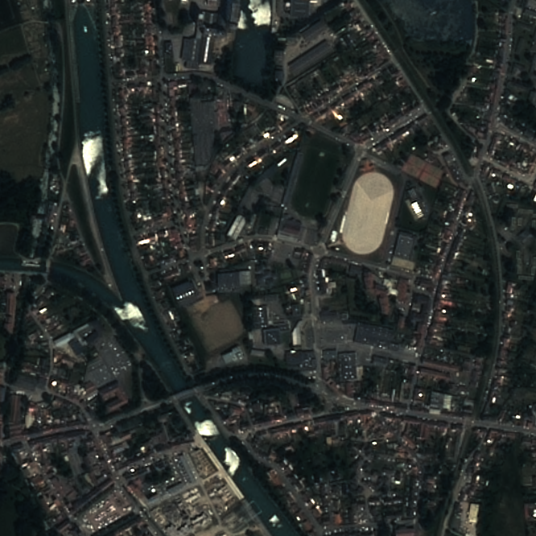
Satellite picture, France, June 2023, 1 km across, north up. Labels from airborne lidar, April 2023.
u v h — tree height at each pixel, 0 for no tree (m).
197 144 0
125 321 0
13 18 0
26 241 19
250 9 0
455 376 0
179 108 7
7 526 0
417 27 0
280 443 0
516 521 0
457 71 13
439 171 0
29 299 23
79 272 0
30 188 6
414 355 0
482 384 0
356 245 0
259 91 8
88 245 0
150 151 0
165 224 0
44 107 0
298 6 0
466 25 0
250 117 0
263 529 0
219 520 0
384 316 13
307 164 0
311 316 0
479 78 0
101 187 0
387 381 0
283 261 0
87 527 0
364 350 0
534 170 0
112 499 0
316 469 7
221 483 0
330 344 0
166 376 0
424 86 0
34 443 0
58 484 0
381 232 0
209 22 0
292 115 0
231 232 0
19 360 9
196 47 0
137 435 7
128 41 0
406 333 0
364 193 0
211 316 0
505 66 0
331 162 0
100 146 0
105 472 0
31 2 0
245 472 0
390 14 0
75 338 0
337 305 0
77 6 0
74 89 0
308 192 0
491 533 0
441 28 0
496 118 0
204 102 0
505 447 11
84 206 0
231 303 0
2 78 0
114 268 0
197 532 0
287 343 0
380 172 0
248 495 0
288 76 0
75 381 0
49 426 0
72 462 0
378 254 0
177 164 0
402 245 0
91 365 0
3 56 0
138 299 0
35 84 0
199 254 0
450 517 0
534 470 0
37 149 0
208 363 0
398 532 0
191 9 0
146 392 18
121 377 0
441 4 0
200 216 0
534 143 0
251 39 0
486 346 12
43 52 0
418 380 0
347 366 0
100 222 0
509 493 0
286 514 12
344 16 12
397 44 0
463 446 0
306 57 0
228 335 0
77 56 0
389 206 0
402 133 0
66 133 0
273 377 16
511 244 11
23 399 15
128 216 0
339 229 0
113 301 0
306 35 0
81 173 0
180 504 0
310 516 0
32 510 24
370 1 10
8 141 0
